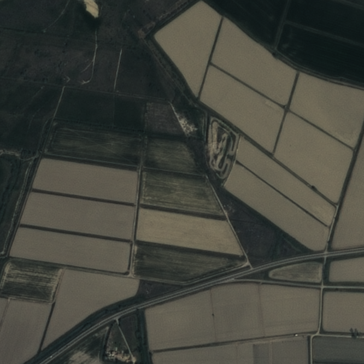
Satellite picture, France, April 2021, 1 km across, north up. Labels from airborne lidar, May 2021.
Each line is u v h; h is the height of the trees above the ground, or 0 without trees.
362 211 0
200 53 0
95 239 0
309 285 0
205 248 0
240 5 0
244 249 0
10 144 0
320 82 0
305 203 0
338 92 0
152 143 0
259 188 0
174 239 0
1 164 0
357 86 0
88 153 0
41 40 0
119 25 0
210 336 0
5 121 0
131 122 0
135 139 0
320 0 0
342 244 0
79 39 0
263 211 0
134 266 0
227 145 0
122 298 0
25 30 0
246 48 0
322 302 0
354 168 0
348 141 0
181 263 0
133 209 0
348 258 0
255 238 0
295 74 0
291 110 0
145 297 0
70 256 0
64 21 0
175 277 0
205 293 0
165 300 0
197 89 0
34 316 0
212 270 0
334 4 0
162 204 0
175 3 0
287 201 0
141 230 0
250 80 0
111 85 0
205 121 0
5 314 0
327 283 0
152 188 0
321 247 0
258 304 0
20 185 0
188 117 0
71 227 0
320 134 0
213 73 0
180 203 0
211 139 0
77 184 0
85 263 0
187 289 0
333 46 0
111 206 0
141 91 0
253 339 0
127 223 0
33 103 0
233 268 0
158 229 0
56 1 0
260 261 0
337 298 0
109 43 0
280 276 0
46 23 0
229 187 0
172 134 0
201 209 0
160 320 0
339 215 0
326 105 0
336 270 0
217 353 0
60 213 0
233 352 0
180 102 0
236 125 0
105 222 0
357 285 0
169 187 0
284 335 0
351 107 0
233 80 0
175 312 0
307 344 0
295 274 0
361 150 0
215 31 0
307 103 0
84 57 0
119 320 7
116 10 0
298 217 0
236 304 0
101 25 0
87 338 0
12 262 0
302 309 0
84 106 0
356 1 0
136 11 0
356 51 0
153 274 0
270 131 0
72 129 0
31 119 0
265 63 0
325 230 0
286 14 0
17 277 0
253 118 0
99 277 0
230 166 0
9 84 0
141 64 0
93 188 0
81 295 0
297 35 0
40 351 0
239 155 0
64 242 0
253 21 0
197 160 0
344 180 0
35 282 0
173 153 0
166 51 0
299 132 0
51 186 0
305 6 0
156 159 0
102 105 0
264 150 0
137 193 0
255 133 0
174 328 0
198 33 0
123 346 0
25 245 0
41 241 0
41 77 0
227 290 0
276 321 0
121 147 0
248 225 0
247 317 0
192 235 0
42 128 0
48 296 0
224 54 0
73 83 0
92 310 0
